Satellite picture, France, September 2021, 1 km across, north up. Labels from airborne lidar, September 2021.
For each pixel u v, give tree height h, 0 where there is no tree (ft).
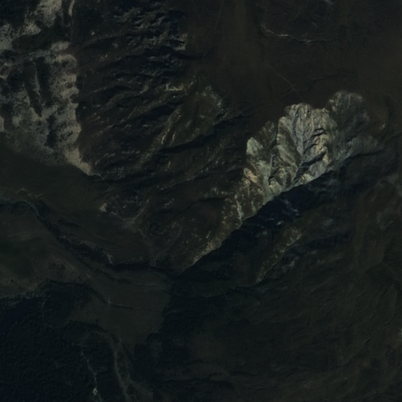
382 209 0
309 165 0
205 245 0
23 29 0
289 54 0
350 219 0
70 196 0
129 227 0
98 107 0
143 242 0
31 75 0
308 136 0
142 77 0
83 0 0
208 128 0
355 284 0
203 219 0
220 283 0
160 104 0
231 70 0
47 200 0
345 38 0
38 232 0
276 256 0
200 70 0
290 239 0
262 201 0
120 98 0
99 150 0
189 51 0
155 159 0
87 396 21
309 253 0
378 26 0
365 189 0
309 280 0
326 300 0
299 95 0
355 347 0
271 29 0
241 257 0
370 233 0
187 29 0
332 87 0
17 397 20
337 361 0
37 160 0
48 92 0
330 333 0
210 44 0
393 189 0
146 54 0
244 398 0
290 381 0
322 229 0
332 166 0
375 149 0
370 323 0
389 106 0
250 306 0
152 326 0
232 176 0
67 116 0
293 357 0
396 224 0
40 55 0
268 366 0
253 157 0
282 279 0
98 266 0
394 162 0
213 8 0
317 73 0
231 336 0
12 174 0
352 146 0
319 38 0
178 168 0
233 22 0
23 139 0
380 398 0
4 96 0
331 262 0
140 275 0
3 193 0
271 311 0
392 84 0
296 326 0
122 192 0
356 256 0
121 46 0
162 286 0
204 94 0
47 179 0
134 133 0
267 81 0
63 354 23
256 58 0
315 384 0
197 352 0
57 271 0
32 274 0
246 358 0
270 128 0
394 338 0
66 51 0
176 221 0
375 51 0
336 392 0
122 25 0
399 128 0
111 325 0
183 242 0
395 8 0
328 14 0
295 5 0
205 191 0
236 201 0
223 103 0
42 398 21
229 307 0
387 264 0
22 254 0
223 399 0
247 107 0
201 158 0
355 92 0
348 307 0
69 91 0
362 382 0
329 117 0
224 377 0
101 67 0
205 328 0
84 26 0
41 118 0
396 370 0
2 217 0
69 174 0
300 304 0
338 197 0
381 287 0
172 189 0
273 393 0
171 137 0
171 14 0
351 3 0
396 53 0
